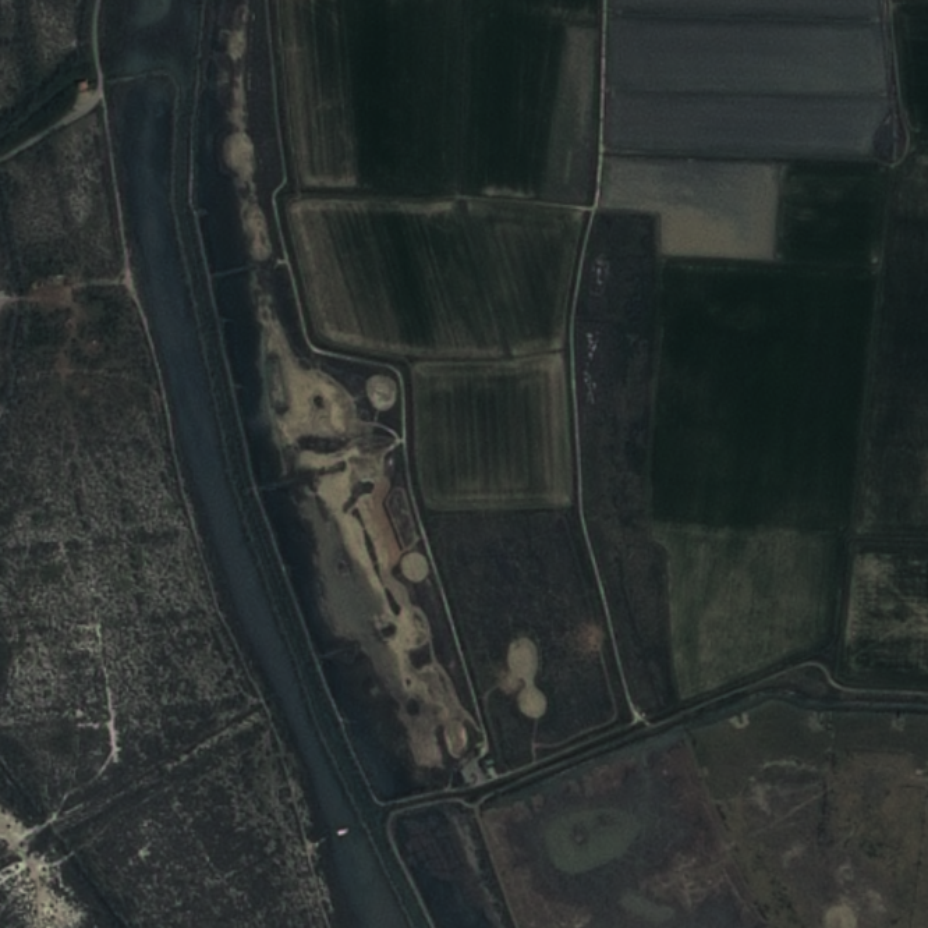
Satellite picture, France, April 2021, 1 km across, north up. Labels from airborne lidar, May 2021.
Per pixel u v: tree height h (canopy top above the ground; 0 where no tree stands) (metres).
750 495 0
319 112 0
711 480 0
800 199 0
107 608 0
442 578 0
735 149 0
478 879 0
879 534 0
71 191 0
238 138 0
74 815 0
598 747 0
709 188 0
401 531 0
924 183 0
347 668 0
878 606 0
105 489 0
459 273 0
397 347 0
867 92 0
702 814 0
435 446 0
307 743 0
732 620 0
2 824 0
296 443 0
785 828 0
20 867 0
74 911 0
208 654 0
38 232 0
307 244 0
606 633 0
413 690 0
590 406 0
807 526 0
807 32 0
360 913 0
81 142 0
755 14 0
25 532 0
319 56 0
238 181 0
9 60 0
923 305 0
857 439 0
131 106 0
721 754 0
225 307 0
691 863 0
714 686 0
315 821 0
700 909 0
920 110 0
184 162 0
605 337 0
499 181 0
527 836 0
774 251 0
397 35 0
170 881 0
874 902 0
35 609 0
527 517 0
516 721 0
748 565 0
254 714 0
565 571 0
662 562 0
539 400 0
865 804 0
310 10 0
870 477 0
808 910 0
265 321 0
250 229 0
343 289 0
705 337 0
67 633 0
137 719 0
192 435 0
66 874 0
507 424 0
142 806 0
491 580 0
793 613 0
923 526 0
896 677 0
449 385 0
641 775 0
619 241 0
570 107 0
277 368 0
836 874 0
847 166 0
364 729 0
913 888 0
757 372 0
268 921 0
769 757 0
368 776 6
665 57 0
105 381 0
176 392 0
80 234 0
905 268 0
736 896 0
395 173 0
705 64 0
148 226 0
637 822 0
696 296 0
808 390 0
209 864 0
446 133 0
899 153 0
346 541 0
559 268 0
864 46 0
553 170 0
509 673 0
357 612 0
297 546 0
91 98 0
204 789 0
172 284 0
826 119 0
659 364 0
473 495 0
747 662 0
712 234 0
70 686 0
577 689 0
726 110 0
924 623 0
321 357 0
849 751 0
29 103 9
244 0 0
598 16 0
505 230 0
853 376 0
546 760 0
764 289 0
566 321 0
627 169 0
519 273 0
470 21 0
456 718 0
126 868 0
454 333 0
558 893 0
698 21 0
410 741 0
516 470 0
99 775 0
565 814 0
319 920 0
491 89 0
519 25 0
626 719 0
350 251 0
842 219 0
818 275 0
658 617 0
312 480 0
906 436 0
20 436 0
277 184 0
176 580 0
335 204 0
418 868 0
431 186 0
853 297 0
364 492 0
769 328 0
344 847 0
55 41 0
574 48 0
